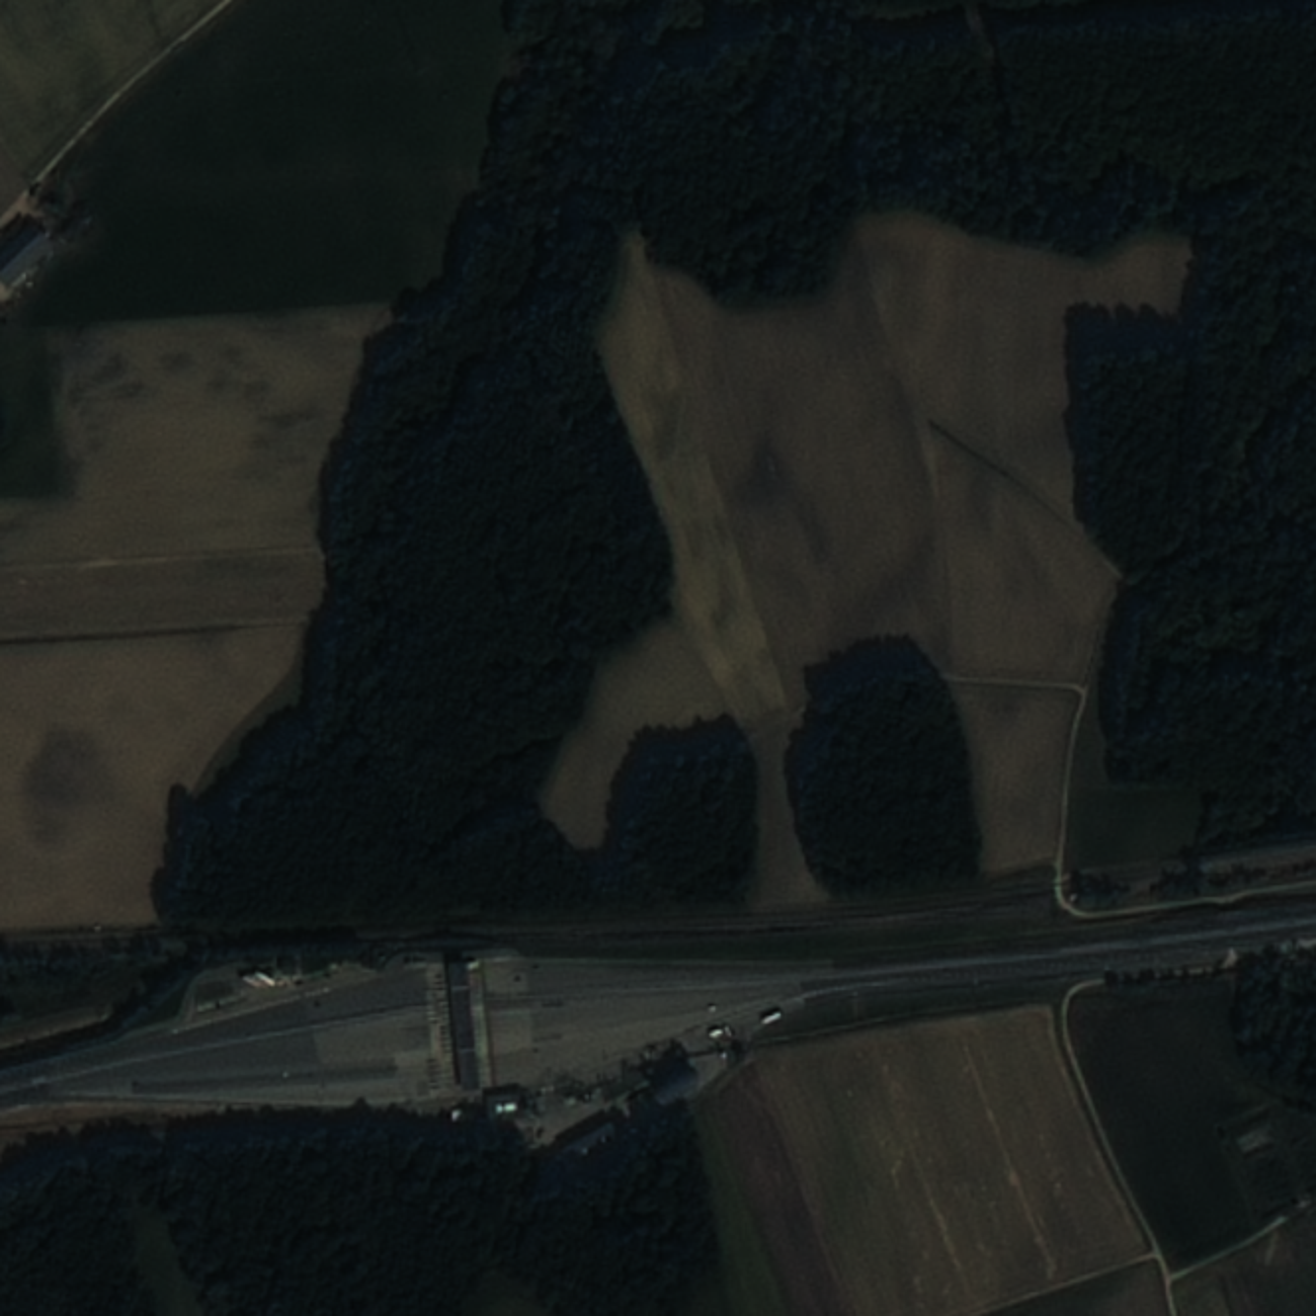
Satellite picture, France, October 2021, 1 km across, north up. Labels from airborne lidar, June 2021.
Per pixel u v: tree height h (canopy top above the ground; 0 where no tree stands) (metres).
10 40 0
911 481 0
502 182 15
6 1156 0
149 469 0
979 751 0
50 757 0
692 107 26
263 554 0
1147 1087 0
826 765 19
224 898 25
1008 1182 0
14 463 0
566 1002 0
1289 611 26
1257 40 23
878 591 0
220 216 0
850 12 30
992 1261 0
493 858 24
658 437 0
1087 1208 0
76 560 0
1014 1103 0
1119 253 0
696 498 0
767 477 0
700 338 0
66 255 0
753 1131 0
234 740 0
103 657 0
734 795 21
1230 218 22
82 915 0
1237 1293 0
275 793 30
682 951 0
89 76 0
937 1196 0
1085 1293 0
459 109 0
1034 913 0
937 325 0
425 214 0
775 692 0
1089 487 16
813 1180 0
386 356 18
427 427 23
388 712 24
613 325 0
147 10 0
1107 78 24
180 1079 0
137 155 0
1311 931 0
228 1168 22
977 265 0
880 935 0
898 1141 0
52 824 0
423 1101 0
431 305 14
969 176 32
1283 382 26
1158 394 22
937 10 8
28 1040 0
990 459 0
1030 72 25
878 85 27
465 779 11
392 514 28
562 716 23
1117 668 15
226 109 0
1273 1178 0
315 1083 0
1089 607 0
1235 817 21
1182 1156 0
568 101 22
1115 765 7
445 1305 23
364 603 26
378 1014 0
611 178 21
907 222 0
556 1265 19
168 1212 18
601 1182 24
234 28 0
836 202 23
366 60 0
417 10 0
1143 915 0
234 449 0
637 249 0
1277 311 26
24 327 0
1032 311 0
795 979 0
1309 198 23
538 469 25
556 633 15
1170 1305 0
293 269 0
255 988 0
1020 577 0
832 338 0
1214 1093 0
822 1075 0
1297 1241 0
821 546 0
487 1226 23
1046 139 22
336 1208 19
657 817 23
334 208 0
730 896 14
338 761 26
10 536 0
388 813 28
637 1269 24
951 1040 0
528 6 21
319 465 0
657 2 22
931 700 22
